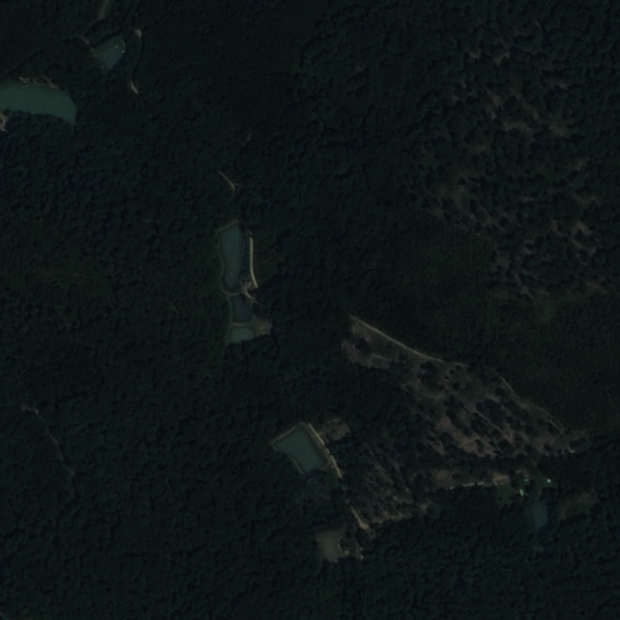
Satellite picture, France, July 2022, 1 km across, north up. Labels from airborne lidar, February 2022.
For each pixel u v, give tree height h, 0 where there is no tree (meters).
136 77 11
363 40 30
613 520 26
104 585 24
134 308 27
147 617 28
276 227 23
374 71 28
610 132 22
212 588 26
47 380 10
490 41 25
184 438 23
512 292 20
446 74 22
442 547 20
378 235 27
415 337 7
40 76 17
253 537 25
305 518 23
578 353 6
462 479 26
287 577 28
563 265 27
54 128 21
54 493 23
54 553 25
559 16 26
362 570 18
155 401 29
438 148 27
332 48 27
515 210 19
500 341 9
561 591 24
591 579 26
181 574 23
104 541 22
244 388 20
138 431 24
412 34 25
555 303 0
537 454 23
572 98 27
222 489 22
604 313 6
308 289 27
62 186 20
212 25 15
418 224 8
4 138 24
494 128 24
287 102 11
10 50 20
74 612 24
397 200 14
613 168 19
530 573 26
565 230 20
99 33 26
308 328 29
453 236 6
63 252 6
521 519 24
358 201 27
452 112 26
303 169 32
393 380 28
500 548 24
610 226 29
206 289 25
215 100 26
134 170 25
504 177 27
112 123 25
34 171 22
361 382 26
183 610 28
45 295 8
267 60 8
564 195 26
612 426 0
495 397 0
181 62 14
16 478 25
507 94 23
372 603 21
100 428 28
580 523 29
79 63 22
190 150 25
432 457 28
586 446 25
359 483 25
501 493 0
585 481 24
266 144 18
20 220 28
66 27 26
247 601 29
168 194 19
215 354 21
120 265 26
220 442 21
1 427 24
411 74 19
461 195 0
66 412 29
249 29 18
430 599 23
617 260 24
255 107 14
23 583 29
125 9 20
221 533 24
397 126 23
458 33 30
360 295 21
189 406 26
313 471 0
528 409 0
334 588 23
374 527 12
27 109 0
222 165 16
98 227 28
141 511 24
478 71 26
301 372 27
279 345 22
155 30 15
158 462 28
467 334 5
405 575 22
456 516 27
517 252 26
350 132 12
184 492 15
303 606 27
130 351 29
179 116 22
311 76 21
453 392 0
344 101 30
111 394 33
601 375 10
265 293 26
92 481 22
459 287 7
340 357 27
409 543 20
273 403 9
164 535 27
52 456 27
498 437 27
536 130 20
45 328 25
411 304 8
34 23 23
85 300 6
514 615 22
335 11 14
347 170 21
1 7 21
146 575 28
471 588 22
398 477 24
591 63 31
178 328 30
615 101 28
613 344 8
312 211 23
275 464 22
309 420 24
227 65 10
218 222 8
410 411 28
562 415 7
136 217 23
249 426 27
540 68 26
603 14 30
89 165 30
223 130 30
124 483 27
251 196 19
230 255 0
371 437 27
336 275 22
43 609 26
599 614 19
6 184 27
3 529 28
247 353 18
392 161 28
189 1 18
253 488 23
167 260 32
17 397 28
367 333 0
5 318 25
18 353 20
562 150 24
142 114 31
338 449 22
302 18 13
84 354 7
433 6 23
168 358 29
